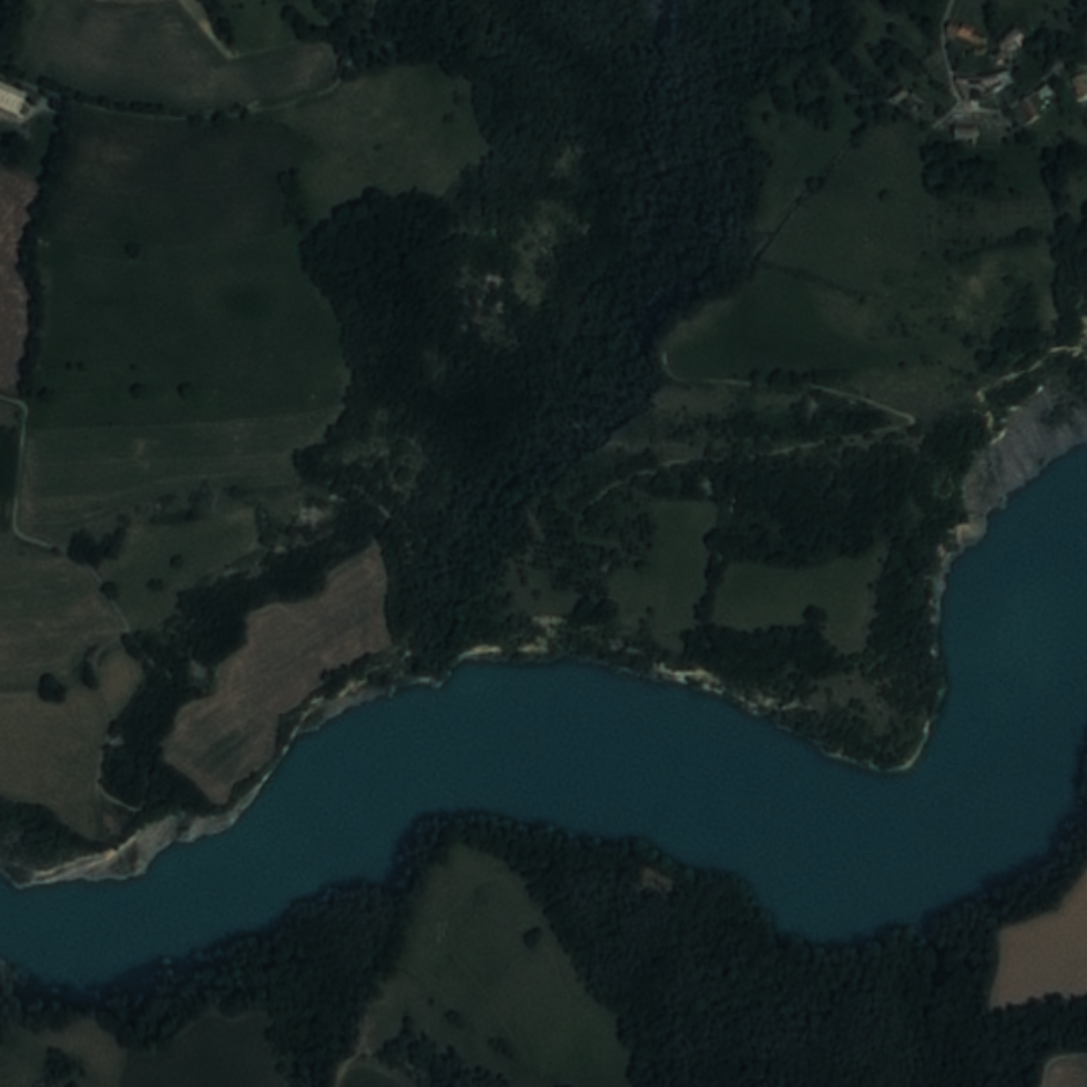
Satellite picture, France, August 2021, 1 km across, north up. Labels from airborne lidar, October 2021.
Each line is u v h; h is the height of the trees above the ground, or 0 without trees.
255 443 0
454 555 9
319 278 13
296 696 0
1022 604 0
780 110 10
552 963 0
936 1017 29
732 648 15
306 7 0
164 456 0
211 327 0
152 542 0
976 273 0
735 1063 20
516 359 9
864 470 7
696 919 19
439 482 11
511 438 7
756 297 0
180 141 0
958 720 0
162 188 0
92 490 0
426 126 0
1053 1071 0
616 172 18
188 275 0
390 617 11
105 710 0
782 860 0
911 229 0
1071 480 0
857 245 0
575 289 7
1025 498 0
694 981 19
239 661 0
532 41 13
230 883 0
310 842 0
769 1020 12
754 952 20
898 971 11
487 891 0
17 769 0
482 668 0
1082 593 0
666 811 0
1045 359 33
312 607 0
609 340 11
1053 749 0
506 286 8
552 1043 0
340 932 11
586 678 0
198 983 19
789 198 0
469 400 14
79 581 0
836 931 0
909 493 9
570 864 22
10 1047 0
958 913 15
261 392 0
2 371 0
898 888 0
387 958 20
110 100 11
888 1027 18
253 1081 0
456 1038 0
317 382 0
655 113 11
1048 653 0
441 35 21
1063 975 0
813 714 6
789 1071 19
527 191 8
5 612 0
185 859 0
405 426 11
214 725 0
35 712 0
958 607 0
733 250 10
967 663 0
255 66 0
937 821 0
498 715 0
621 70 15
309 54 0
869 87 14
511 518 11
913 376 0
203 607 11
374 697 0
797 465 9
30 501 0
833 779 0
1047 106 0
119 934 0
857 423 8
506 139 9
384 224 34
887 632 18
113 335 0
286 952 28
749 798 0
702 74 11
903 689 7
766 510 8
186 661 11
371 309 23
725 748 0
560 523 9
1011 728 0
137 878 0
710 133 15
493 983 0
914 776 0
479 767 0
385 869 0
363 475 8
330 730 0
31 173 0
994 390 9
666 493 10
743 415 6
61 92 12
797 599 0
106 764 6
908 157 0
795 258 0
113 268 0
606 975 17
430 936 0
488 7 6
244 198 0
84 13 0
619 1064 0
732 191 12
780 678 5
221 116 16
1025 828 0
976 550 0
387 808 0
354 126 0
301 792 0
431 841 13
